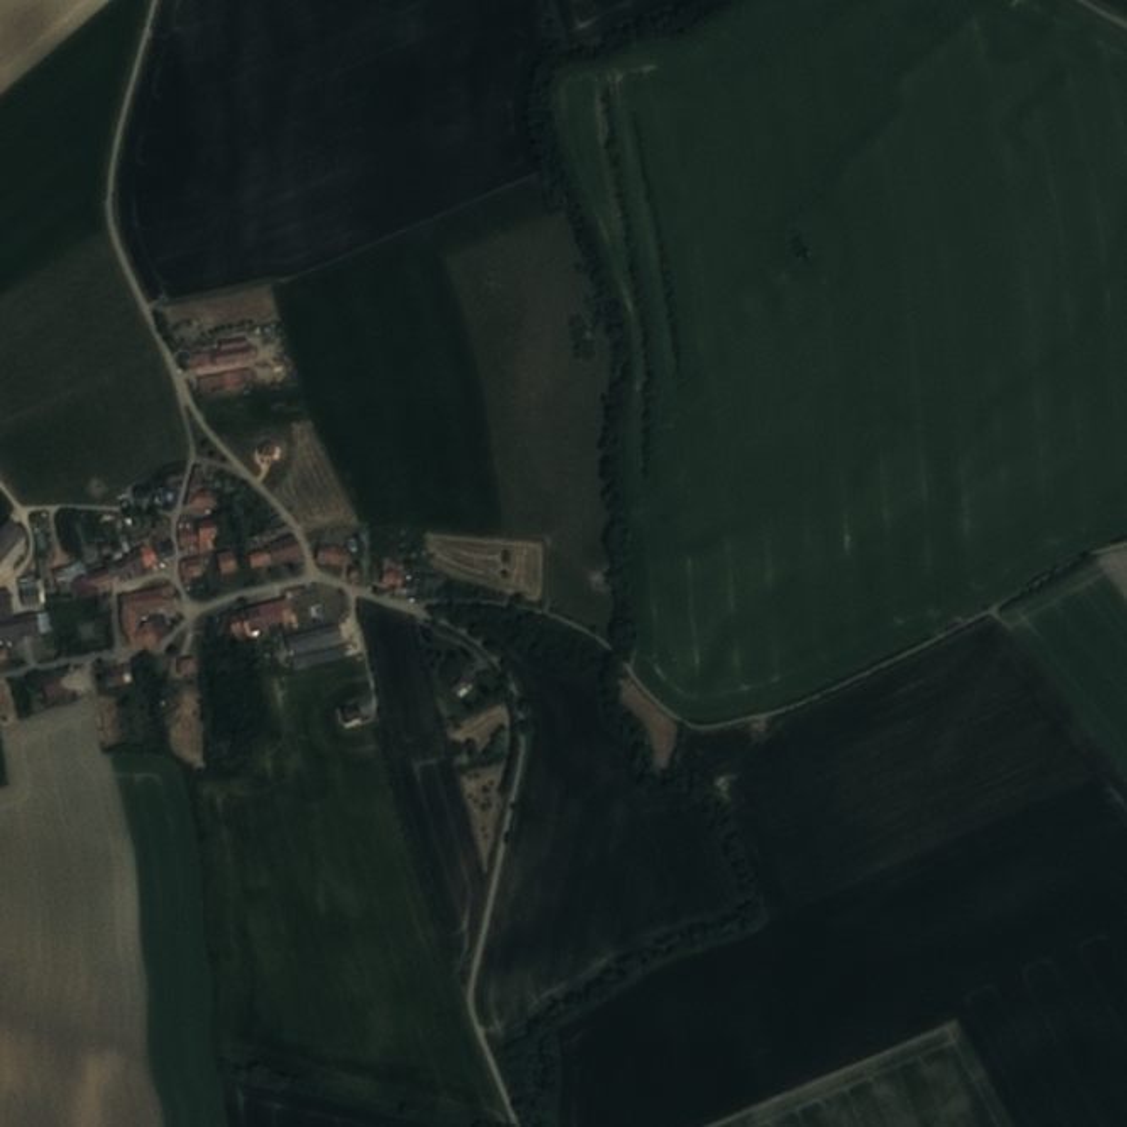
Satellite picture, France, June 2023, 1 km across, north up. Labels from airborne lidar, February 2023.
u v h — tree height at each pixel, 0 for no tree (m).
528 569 0
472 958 0
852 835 0
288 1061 0
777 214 0
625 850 0
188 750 0
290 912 0
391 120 0
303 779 0
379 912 0
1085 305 0
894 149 0
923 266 0
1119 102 0
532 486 0
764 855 0
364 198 0
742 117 0
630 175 0
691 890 0
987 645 0
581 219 8
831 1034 0
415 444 0
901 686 0
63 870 0
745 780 0
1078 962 0
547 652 7
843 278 0
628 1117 0
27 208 0
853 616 0
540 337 0
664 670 0
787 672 0
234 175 0
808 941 0
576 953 0
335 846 0
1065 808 0
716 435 0
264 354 0
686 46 0
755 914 9
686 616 0
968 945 0
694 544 0
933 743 0
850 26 0
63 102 0
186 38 0
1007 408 0
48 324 0
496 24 0
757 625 0
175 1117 0
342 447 0
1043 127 0
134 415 0
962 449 0
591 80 0
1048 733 0
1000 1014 0
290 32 0
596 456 0
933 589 0
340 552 0
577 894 0
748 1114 0
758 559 0
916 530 0
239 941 0
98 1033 0
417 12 0
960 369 0
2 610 0
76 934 0
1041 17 0
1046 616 0
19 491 0
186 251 0
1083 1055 0
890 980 0
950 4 0
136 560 0
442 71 0
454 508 0
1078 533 0
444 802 0
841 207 0
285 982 0
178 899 0
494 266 0
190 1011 0
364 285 0
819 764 0
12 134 0
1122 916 0
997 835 0
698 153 0
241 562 7
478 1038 0
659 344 0
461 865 0
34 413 0
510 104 0
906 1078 0
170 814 0
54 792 0
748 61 0
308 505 0
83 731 0
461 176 0
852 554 0
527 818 0
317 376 0
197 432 0
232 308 0
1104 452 0
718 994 0
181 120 0
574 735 0
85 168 0
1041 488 0
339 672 0
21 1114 0
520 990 0
